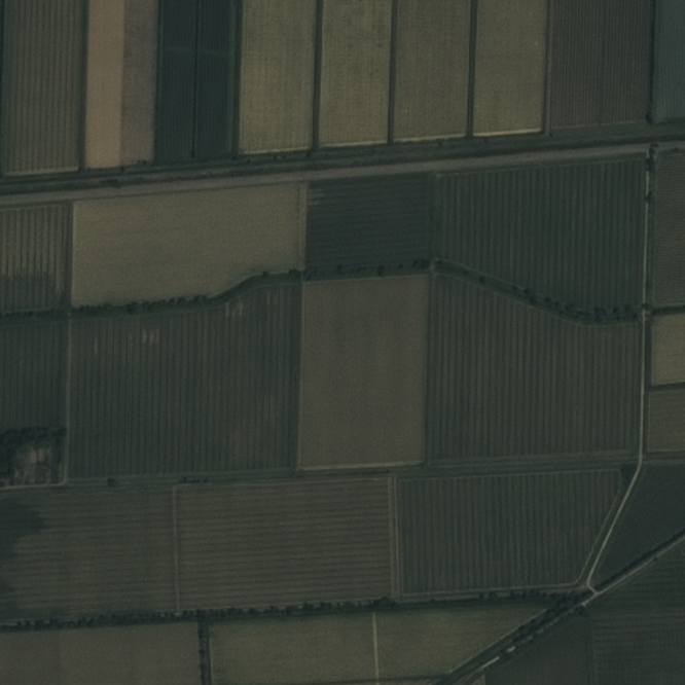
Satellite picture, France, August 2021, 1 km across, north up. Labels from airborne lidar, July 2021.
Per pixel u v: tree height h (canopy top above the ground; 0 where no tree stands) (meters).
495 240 0
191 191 0
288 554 0
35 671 0
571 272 0
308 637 0
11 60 0
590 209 0
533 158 0
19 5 0
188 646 0
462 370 0
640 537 0
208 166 0
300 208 0
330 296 0
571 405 0
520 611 0
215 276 0
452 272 0
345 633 0
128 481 0
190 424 0
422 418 0
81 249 0
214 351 0
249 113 0
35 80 0
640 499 0
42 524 0
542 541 0
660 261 0
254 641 0
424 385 0
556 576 0
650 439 0
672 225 0
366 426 0
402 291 0
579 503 0
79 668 0
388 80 0
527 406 0
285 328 0
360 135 0
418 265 11
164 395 0
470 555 0
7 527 0
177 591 0
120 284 0
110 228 0
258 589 0
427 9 0
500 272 0
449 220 0
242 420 0
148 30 0
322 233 0
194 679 0
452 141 0
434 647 0
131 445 0
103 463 0
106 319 0
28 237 0
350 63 0
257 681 0
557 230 0
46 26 0
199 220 0
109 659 0
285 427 0
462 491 0
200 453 0
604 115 0
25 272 0
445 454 0
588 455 0
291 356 0
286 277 0
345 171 0
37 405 0
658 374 0
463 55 0
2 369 0
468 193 0
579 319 8
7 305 0
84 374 0
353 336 0
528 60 0
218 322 0
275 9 0
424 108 0
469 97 0
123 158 0
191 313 0
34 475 0
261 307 0
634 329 0
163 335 0
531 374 0
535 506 0
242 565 0
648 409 0
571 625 0
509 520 0
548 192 0
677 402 0
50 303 0
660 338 0
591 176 0
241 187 0
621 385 0
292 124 0
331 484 0
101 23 0
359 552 0
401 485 0
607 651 0
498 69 0
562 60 0
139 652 0
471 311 0
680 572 0
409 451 0
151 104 0
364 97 0
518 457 0
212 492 0
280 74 0
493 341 0
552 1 0
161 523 0
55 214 0
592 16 0
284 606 0
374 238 0
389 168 0
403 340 0
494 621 0
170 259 0
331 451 0
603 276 0
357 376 0
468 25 0
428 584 0
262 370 0
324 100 0
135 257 0
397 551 0
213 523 0
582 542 0
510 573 0
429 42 0
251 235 0
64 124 0
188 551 0
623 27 0
